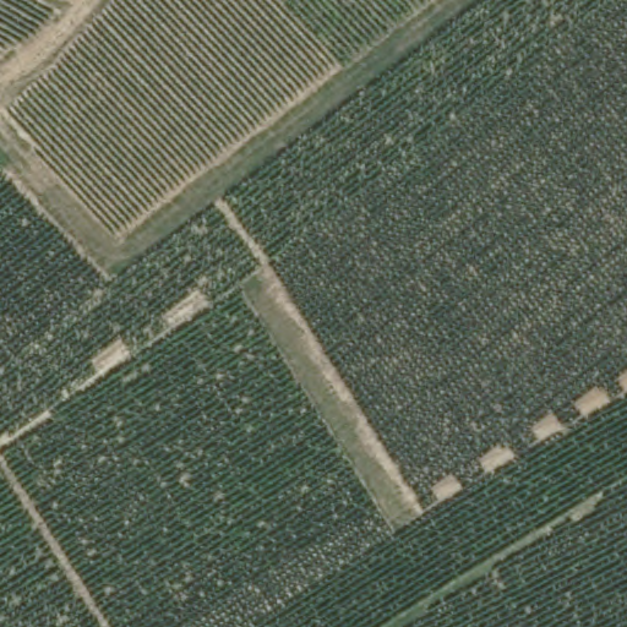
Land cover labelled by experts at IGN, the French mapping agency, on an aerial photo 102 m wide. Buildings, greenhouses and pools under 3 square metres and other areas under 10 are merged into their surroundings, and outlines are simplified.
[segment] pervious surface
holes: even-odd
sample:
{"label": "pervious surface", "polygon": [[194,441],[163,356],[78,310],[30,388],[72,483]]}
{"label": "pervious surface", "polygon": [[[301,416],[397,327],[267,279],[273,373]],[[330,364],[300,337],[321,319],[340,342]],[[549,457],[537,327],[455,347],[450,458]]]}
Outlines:
{"label": "pervious surface", "polygon": [[39,61],[44,61],[66,39],[66,34],[71,34],[88,17],[88,12],[100,0],[73,0],[59,22],[47,22],[34,37],[20,42],[17,56],[0,73],[0,86],[7,86],[17,76],[32,71]]}

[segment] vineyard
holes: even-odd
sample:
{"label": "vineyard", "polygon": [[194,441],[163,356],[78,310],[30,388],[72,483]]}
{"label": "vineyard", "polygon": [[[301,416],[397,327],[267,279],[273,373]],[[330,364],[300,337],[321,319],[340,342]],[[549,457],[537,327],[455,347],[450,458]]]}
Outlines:
{"label": "vineyard", "polygon": [[0,73],[17,56],[20,42],[34,37],[47,22],[59,22],[73,0],[0,0]]}
{"label": "vineyard", "polygon": [[66,34],[66,39],[44,61],[39,61],[32,71],[17,76],[7,86],[0,86],[0,627],[627,627],[627,0],[100,0],[88,12],[88,17],[71,34]]}

